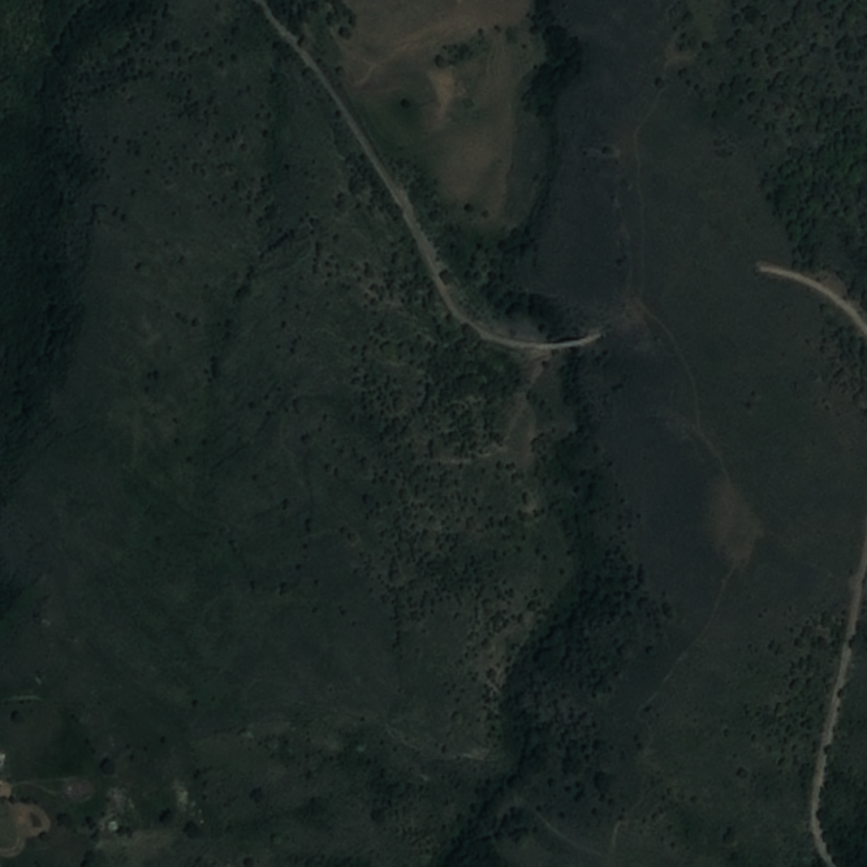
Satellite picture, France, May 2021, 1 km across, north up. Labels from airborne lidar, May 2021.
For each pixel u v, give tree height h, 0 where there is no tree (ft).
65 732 0
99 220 24
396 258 28
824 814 48
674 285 0
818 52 31
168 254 0
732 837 40
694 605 0
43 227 38
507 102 0
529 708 38
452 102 0
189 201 0
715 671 0
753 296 0
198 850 0
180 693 0
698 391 0
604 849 0
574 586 22
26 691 0
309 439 37
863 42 35
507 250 26
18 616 0
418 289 25
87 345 0
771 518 0
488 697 27
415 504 21
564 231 0
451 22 0
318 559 0
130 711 0
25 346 52
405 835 24
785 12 0
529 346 0
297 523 0
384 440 30
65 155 37
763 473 0
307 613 0
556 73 54
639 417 0
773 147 24
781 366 0
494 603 38
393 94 0
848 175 34
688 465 0
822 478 0
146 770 0
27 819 0
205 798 20
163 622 0
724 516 0
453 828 33
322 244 28
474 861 36
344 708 0
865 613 23
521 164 0
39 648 0
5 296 36
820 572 0
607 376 0
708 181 0
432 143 0
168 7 29
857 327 23
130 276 0
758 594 0
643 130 0
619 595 31
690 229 0
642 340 0
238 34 45
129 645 0
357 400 19
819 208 21
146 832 0
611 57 0
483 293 19
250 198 24
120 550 0
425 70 0
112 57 33
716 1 0
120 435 0
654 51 0
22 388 64
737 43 43
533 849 0
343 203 37
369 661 0
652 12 0
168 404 0
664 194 0
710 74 0
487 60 0
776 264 0
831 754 47
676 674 0
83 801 0
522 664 47
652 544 0
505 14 0
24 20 34
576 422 20
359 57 0
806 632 33
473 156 0
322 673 0
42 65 65
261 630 0
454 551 23
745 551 0
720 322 0
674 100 0
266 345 0
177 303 0
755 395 23
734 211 0
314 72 31
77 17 61
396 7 0
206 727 0
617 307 0
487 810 78
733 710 0
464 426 24
